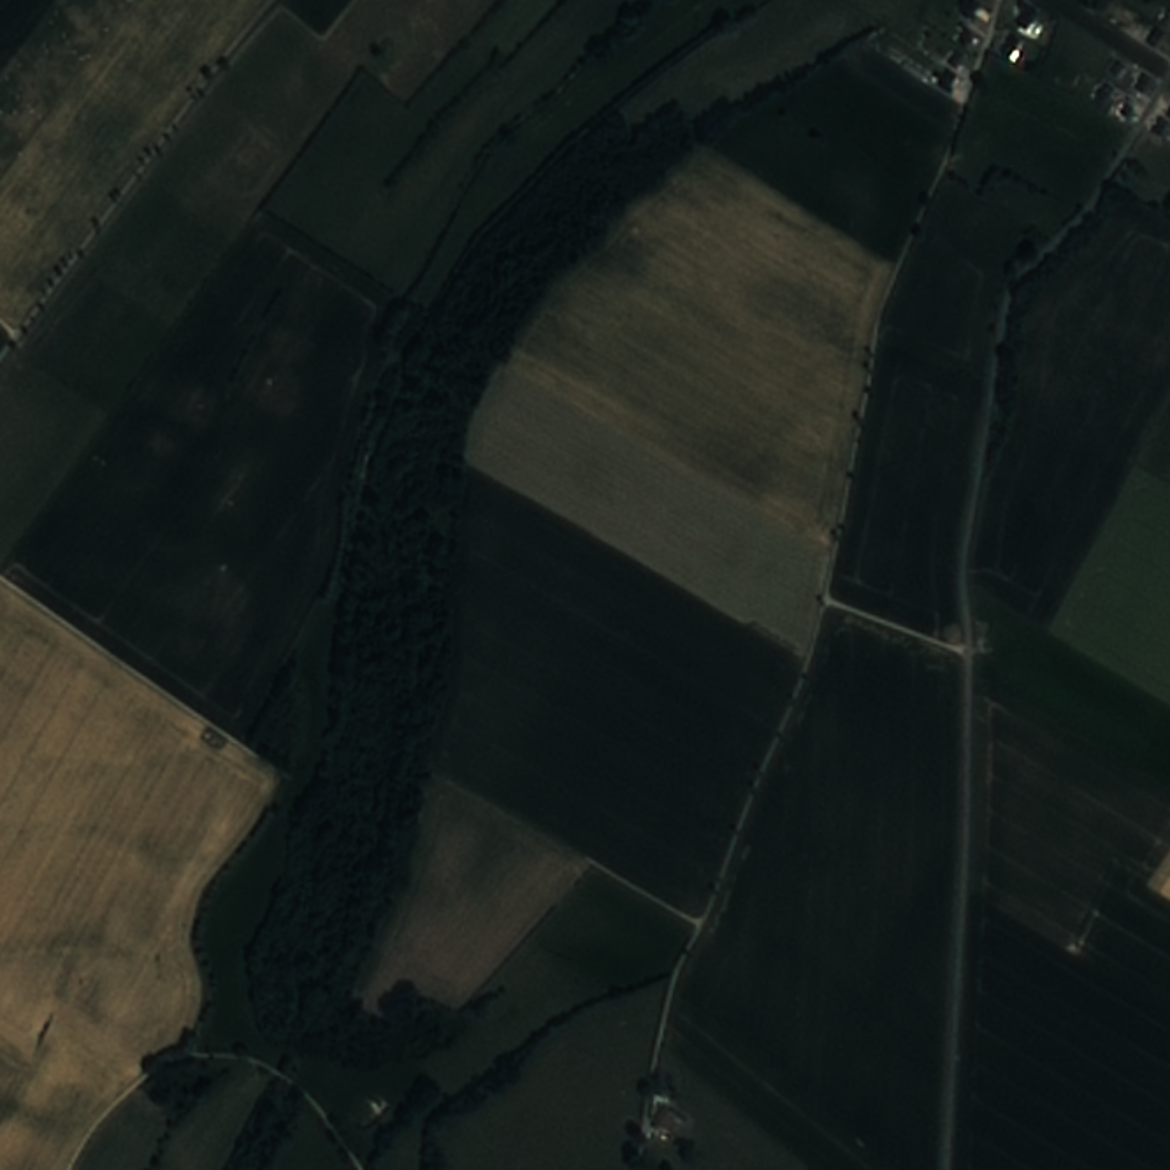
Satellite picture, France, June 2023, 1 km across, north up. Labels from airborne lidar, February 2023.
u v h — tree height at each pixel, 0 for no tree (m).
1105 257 0
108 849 0
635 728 0
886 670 0
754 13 7
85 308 0
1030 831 0
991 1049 0
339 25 0
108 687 0
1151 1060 0
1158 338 0
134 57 0
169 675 0
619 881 0
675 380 0
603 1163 0
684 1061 0
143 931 0
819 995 0
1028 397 0
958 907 0
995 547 0
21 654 0
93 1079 0
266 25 0
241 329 0
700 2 0
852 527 0
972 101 0
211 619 0
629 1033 0
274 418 0
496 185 0
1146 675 0
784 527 0
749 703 0
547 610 0
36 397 0
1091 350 0
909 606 0
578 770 0
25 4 0
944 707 0
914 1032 0
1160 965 0
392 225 0
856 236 0
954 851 0
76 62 0
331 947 13
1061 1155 0
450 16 0
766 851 0
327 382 0
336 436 0
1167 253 0
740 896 0
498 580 0
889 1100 0
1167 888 0
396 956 0
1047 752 0
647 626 0
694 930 0
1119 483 0
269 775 0
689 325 0
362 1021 13
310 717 0
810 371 0
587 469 0
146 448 0
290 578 0
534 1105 0
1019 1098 0
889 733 0
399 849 23
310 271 0
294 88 0
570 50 0
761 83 0
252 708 0
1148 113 0
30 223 0
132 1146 0
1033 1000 0
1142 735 0
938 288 0
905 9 0
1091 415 0
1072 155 0
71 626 0
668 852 0
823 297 0
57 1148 0
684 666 0
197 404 0
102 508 0
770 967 0
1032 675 0
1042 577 0
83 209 0
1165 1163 0
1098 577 0
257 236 0
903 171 0
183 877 0
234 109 0
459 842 0
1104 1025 0
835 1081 0
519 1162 0
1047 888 0
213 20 0
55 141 0
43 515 0
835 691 0
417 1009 9
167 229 0
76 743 0
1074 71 0
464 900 0
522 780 0
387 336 16
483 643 0
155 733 0
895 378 0
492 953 0
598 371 0
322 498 0
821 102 0
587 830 0
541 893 0
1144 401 0
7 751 0
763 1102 0
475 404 8
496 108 0
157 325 0
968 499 0
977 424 0
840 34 0
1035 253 15
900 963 0
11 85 0
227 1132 0
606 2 0
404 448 7
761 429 0
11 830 0
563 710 0
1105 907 0
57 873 0
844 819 0
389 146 0
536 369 0
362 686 6
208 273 0
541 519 0
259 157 0
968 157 0
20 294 0
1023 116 0
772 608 0
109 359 0
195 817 0
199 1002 0
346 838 17
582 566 0
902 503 0
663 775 0
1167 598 0
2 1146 0
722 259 0
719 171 0
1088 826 0
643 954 0
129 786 0
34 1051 0
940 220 0
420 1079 0
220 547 0
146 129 0
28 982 0
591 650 0
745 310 0
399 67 0
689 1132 0
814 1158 0
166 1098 13
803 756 0
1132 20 0
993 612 0
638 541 0
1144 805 0
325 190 0
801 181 0
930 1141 0
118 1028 0
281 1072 8
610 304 0
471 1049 0
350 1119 0
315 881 17
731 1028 0
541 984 0
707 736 0
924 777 0
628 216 0
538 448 0
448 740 0
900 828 0
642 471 0
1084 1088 0
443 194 0
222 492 0
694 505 0
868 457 0
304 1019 13
